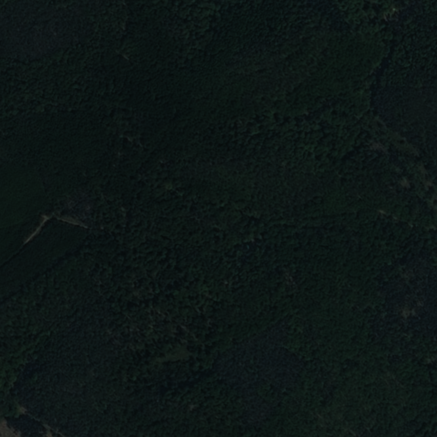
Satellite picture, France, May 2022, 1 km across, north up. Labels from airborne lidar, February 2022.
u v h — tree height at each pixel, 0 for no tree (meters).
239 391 26
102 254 27
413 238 29
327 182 25
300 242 32
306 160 20
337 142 31
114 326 25
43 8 21
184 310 30
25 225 8
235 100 25
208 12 36
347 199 26
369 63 32
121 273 23
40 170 18
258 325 33
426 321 30
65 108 19
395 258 30
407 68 27
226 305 23
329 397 24
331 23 31
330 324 25
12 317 29
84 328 26
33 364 40
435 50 25
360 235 32
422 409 23
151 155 26
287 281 28
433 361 0
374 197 22
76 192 21
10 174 0
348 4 32
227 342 31
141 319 25
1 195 0
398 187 22
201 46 33
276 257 27
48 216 13
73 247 9
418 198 29
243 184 23
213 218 21
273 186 22
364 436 27
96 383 17
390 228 26
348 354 24
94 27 16
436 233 25
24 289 13
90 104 20
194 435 28
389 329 30
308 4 31
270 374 29
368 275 28
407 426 26
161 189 34
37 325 27
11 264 9
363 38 28
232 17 30
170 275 7
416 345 27
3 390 28
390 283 28
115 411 30
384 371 27
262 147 28
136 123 24
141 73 19
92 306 25
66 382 20
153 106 25
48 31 20
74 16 19
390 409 23
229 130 31
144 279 26
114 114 20
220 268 29
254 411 28
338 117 30
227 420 18
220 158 19
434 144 24
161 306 27
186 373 10
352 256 27
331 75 28
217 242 32
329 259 31
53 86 21
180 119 24
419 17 31
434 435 9
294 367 29
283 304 30
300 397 24
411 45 26
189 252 30
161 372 10
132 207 22
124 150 23
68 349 27
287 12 28
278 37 26
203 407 17
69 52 21
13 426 31
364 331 27
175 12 34
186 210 25
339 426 24
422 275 29
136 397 12
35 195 0
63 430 26
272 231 33
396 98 27
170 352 43
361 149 27
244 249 37
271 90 27
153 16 31
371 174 24
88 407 27
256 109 34
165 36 22
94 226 7
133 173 26
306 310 24
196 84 22
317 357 26
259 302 27
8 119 20
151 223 21
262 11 31
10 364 35
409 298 31
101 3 25
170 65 26
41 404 27
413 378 29
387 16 0
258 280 25
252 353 29
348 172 22
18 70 23
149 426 30
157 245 27
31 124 19
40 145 19
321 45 25
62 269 24
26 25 16
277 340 25
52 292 23
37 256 10
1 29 23
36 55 21
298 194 30
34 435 28
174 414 24
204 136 25
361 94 29
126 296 26
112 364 26
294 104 28
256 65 19
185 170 24
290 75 24
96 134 18
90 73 21
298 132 32
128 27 21
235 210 29
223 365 27
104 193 22
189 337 37
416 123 23
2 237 0
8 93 23
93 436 35
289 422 23
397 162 35
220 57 21
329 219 30
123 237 27
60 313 29
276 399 28
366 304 25
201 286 33
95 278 25
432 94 20
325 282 29
